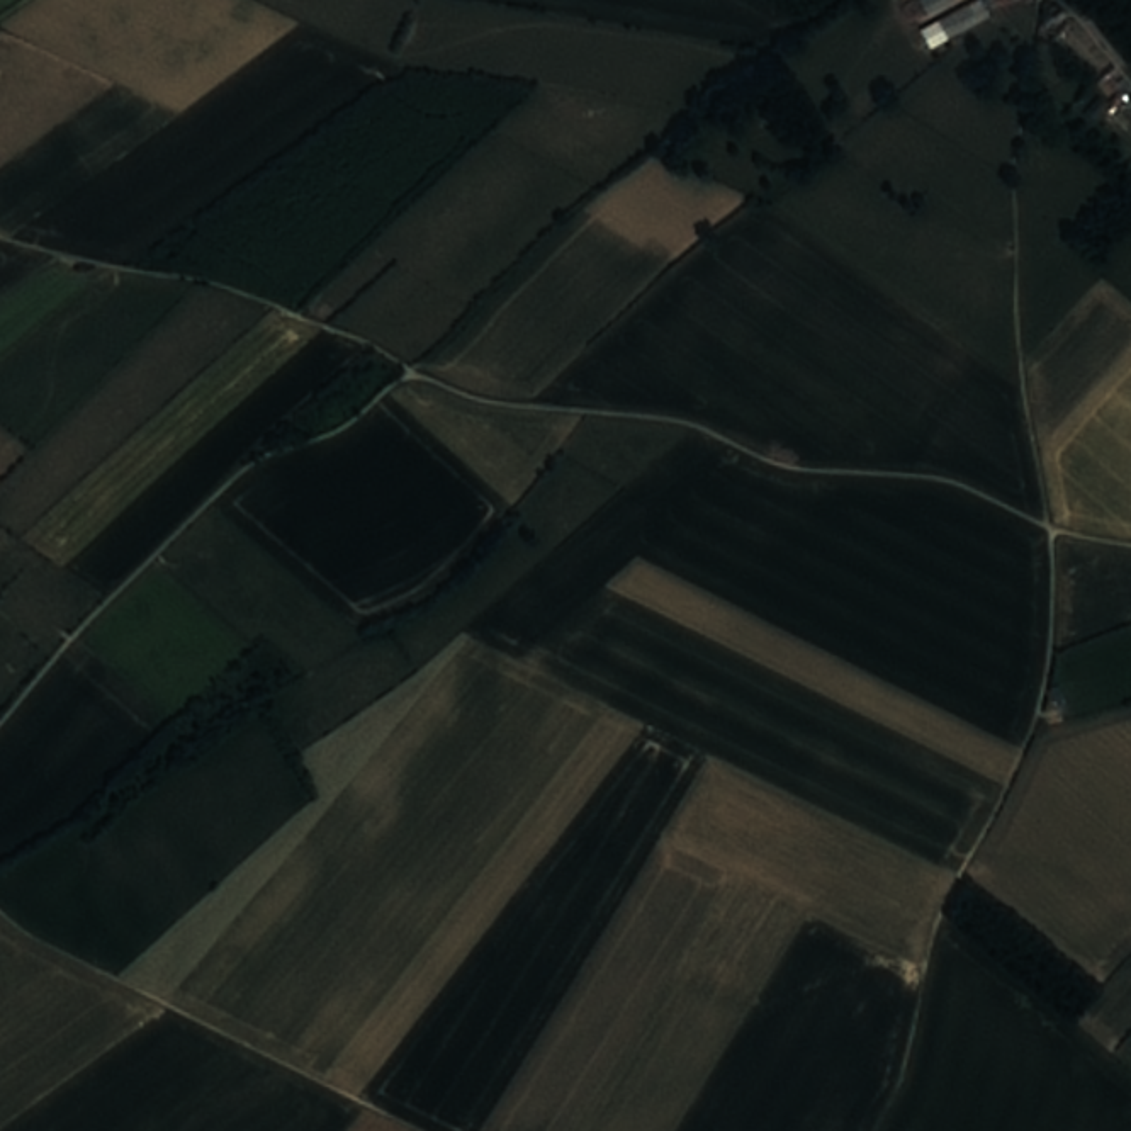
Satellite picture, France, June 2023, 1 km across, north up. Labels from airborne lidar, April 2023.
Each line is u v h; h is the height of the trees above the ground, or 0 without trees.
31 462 0
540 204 0
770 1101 0
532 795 0
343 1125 0
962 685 0
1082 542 0
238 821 0
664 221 0
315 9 0
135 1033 0
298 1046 0
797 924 0
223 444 0
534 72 0
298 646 0
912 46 0
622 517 0
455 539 0
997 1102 0
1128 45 14
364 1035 0
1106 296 0
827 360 0
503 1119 0
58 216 0
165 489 0
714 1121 0
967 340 0
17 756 0
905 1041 0
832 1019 0
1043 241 0
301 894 0
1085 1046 0
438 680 0
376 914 0
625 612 0
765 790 0
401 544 0
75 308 0
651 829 0
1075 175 0
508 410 0
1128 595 0
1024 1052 0
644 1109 0
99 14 0
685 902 0
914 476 0
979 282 0
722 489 0
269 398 0
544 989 0
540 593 0
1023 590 0
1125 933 0
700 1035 0
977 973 0
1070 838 0
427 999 0
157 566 0
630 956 0
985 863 0
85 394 0
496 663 0
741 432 0
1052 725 0
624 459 0
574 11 0
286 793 0
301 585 0
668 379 0
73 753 0
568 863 0
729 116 36
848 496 0
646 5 0
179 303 0
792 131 35
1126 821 0
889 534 0
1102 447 0
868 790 0
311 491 0
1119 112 0
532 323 0
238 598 0
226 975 0
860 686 0
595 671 0
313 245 5
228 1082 0
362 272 0
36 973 0
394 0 0
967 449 0
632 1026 0
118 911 0
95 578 0
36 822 0
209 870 0
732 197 0
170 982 0
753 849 0
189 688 0
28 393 0
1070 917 0
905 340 0
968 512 0
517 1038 0
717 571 0
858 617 0
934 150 0
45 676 0
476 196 0
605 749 0
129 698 0
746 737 0
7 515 0
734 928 0
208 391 0
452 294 0
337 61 0
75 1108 0
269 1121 0
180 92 0
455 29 0
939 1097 0
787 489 0
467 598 0
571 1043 0
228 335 0
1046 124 27
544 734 0
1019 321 0
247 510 0
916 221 0
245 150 0
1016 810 0
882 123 0
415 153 5
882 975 0
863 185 0
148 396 0
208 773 0
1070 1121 0
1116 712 0
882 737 0
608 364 0
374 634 9
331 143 6
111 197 0
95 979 0
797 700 0
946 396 0
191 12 0
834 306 0
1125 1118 0
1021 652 0
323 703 0
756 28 0
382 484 0
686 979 0
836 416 0
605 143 0
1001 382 0
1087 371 0
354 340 0
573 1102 0
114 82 0
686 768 0
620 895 0
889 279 0
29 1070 0
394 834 0
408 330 0
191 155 0
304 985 0
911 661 0
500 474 0
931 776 0
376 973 0
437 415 0
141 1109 0
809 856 0
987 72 26
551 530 0
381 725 0
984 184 0
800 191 0
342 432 0
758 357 0
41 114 0
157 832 0
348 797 0
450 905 0
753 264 0
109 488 0
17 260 0
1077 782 0
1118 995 0
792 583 0
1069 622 0
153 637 0
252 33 0
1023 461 0
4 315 0
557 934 0
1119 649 0
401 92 6
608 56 0
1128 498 0
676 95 0
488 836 0
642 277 0
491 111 6
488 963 0
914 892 0
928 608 0
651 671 0
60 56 0
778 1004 0
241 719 12
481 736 0
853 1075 0
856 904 0
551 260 0
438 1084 0
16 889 0
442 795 0
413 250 0
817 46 0
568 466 0
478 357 0
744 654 0
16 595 0
